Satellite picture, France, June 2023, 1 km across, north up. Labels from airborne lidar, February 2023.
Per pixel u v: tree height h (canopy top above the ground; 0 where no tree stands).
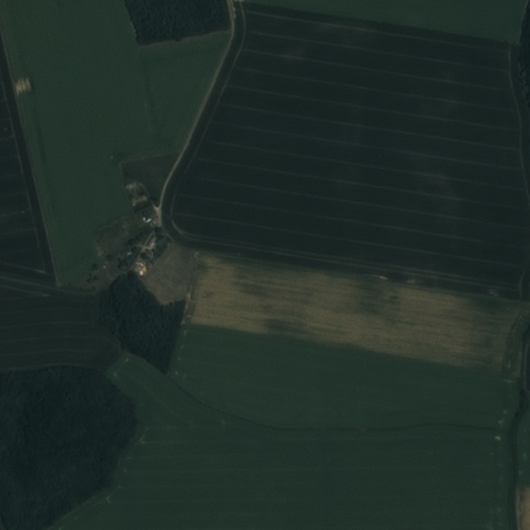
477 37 0
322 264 0
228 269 0
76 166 0
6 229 0
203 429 0
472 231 0
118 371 0
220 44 0
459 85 0
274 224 0
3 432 24
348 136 0
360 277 0
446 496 0
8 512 18
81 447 24
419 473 0
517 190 0
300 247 0
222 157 0
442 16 0
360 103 0
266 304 0
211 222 0
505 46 0
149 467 0
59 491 20
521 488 0
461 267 0
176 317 17
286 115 0
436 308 0
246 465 0
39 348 0
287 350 0
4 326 0
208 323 0
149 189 0
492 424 0
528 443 0
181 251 0
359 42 0
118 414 22
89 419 25
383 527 0
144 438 0
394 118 0
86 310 0
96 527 0
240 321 0
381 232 0
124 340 15
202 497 0
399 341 0
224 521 0
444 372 0
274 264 0
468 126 0
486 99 0
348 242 0
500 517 0
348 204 0
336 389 0
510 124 0
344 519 0
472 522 0
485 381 0
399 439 0
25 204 0
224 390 0
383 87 0
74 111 0
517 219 0
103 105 0
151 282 0
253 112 0
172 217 0
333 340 0
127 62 0
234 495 0
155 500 0
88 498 13
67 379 19
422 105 0
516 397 0
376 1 0
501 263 0
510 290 0
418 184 0
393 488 0
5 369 0
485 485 0
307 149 0
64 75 0
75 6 0
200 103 0
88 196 0
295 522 0
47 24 0
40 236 0
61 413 17
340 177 0
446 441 0
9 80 0
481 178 0
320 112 0
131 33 0
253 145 0
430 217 0
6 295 0
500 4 0
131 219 0
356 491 0
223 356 0
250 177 0
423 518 0
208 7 21
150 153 0
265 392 0
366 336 0
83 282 0
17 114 0
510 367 0
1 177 0
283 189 0
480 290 0
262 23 0
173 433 0
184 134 0
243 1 0
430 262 0
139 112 0
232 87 0
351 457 0
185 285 0
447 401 0
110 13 0
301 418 0
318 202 0
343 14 0
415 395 0
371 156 0
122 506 0
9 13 0
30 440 24
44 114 0
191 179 0
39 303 0
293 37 0
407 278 0
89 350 0
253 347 0
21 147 0
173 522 0
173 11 19
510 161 0
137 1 15
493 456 0
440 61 0
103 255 0
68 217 0
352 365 0
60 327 0
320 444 0
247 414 0
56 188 0
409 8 0
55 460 23
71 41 0
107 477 17
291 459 0
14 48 0
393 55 0
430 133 0
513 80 0
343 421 0
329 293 0
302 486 0
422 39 0
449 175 0
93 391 22
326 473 0
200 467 0
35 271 0
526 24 6
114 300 7
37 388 19
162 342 19
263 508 0
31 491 22
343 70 0
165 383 0
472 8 0
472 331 0
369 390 0
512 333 0
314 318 0
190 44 0
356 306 0
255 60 0
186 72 0
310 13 0
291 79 0
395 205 0
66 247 0
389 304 0
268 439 0
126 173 0
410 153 0
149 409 0
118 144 0
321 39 0
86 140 0
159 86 0
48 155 0
